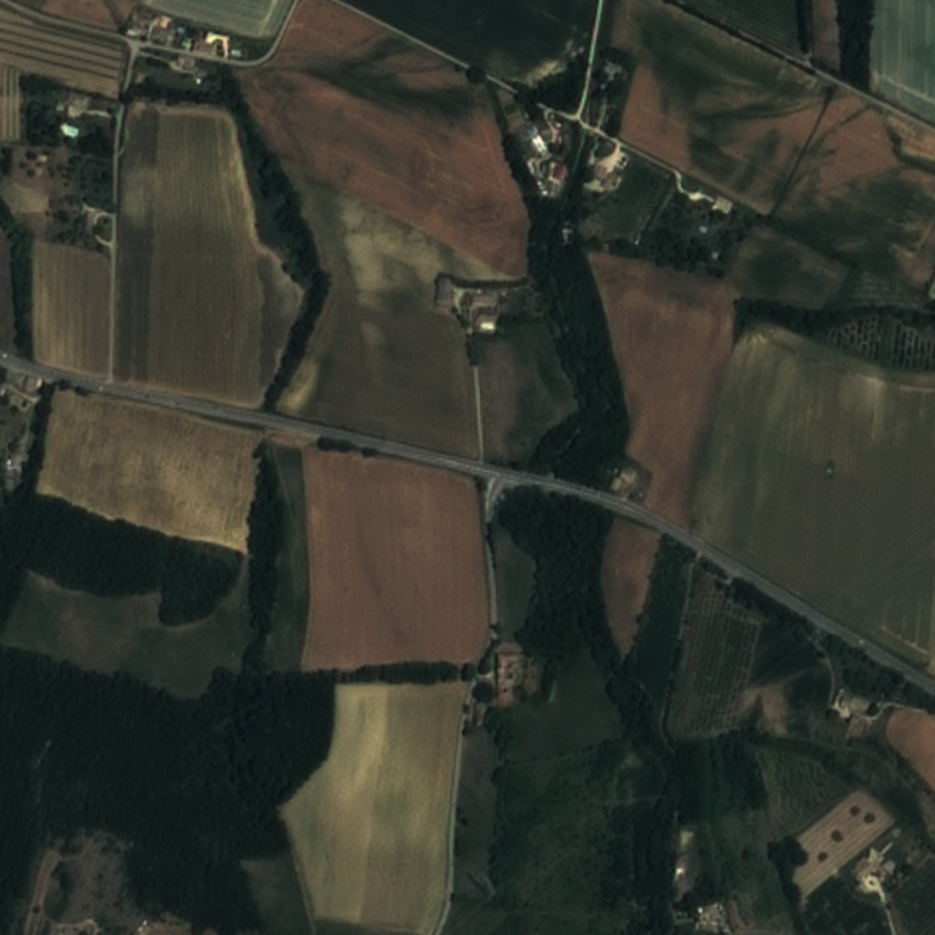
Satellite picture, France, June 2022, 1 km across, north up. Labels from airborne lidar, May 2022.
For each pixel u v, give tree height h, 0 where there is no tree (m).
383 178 0
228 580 11
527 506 21
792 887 12
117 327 0
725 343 0
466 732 9
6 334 0
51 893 0
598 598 14
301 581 0
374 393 0
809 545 0
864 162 0
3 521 13
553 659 8
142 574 11
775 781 0
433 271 0
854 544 0
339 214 0
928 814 0
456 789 0
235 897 13
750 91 0
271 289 0
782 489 0
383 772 0
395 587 0
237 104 14
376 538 0
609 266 0
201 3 0
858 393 0
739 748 15
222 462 0
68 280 0
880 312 9
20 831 8
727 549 0
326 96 0
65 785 9
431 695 0
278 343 0
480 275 0
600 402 12
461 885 0
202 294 0
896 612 0
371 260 0
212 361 0
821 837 0
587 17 0
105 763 7
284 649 0
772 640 0
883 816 0
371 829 0
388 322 0
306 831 0
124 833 7
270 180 19
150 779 9
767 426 0
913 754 0
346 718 0
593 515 17
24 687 12
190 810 8
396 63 0
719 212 10
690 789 7
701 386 0
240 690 11
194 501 0
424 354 0
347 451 12
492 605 0
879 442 0
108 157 12
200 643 0
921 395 0
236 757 18
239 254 0
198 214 0
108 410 0
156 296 0
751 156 0
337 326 0
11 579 15
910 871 13
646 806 10
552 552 20
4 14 0
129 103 11
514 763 6
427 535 0
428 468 0
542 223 15
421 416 0
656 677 5
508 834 9
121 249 0
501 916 0
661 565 6
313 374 0
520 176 14
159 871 8
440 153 0
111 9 0
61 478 0
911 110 0
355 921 0
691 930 0
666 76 0
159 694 8
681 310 0
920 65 0
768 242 0
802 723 0
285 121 0
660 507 0
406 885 0
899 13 0
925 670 0
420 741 0
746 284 0
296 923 0
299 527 0
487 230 0
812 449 0
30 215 0
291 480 0
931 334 0
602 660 16
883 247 0
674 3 19
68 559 14
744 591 15
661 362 0
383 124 0
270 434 0
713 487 0
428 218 0
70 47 0
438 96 0
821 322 12
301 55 0
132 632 0
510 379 0
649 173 0
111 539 15
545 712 0
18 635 0
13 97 0
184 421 0
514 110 0
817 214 0
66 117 6
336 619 0
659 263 9
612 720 0
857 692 9
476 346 8
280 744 10
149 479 0
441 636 0
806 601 0
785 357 0
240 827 10
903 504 0
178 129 0
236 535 0
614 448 6
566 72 6
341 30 0
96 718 6
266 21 0
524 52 0
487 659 10
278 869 0
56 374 0
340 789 0
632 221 0
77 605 0
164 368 0
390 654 0
